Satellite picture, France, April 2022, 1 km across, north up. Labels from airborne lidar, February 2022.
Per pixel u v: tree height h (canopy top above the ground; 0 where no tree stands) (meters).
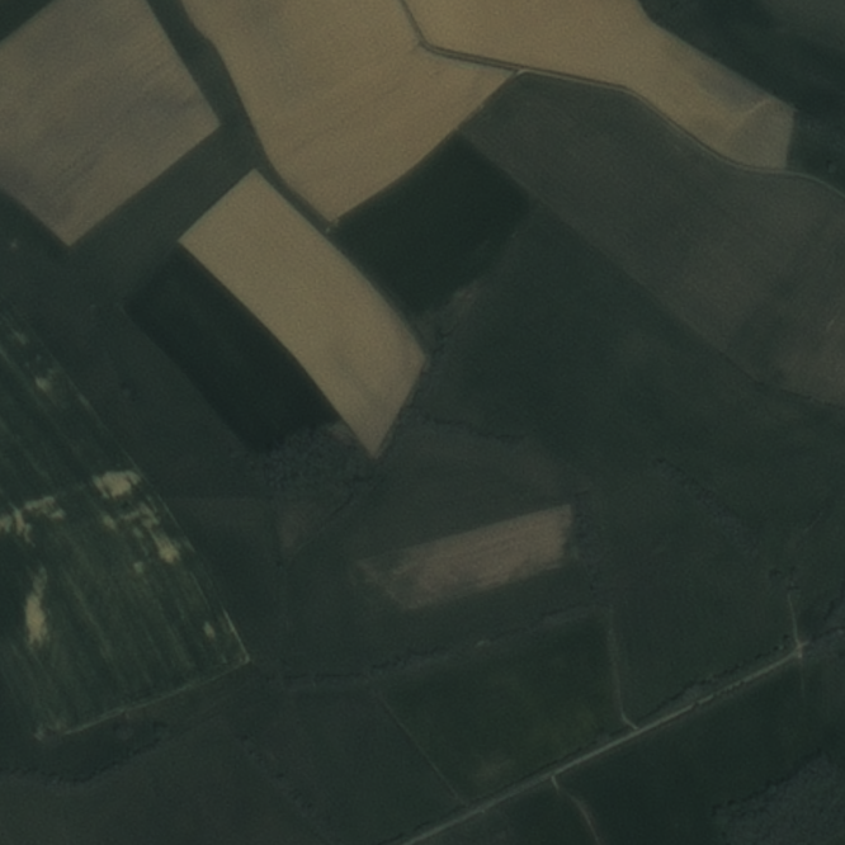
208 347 0
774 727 0
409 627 0
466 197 0
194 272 0
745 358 0
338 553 0
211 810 0
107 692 0
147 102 0
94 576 0
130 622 0
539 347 0
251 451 0
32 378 0
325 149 0
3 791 0
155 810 0
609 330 0
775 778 0
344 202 0
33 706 0
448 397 0
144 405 0
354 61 0
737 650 0
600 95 0
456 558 0
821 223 0
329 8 0
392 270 0
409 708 0
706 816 0
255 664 0
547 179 0
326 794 0
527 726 0
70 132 0
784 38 0
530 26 0
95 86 0
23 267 0
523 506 0
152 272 0
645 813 0
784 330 0
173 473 0
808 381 0
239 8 0
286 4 0
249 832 0
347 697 0
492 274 0
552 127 0
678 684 0
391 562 0
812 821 26
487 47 0
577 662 0
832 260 0
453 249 0
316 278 0
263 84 0
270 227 0
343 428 0
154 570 0
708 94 0
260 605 0
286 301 0
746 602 0
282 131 0
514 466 0
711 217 0
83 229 0
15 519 0
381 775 0
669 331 0
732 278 0
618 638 0
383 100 0
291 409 0
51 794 0
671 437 0
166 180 0
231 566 0
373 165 0
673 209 0
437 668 0
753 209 0
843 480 0
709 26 0
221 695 0
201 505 0
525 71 0
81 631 0
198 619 0
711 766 0
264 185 0
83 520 0
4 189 0
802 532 0
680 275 0
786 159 0
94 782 7
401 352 0
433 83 0
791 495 0
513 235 0
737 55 0
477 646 0
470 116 0
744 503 0
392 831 0
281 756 0
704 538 0
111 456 0
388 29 0
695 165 0
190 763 0
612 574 0
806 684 0
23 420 0
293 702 0
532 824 0
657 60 0
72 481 0
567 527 0
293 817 0
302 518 0
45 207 0
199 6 0
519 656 0
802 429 0
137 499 0
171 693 0
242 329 0
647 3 0
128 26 0
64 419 0
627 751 0
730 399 0
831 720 0
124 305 0
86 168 0
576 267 0
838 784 25
